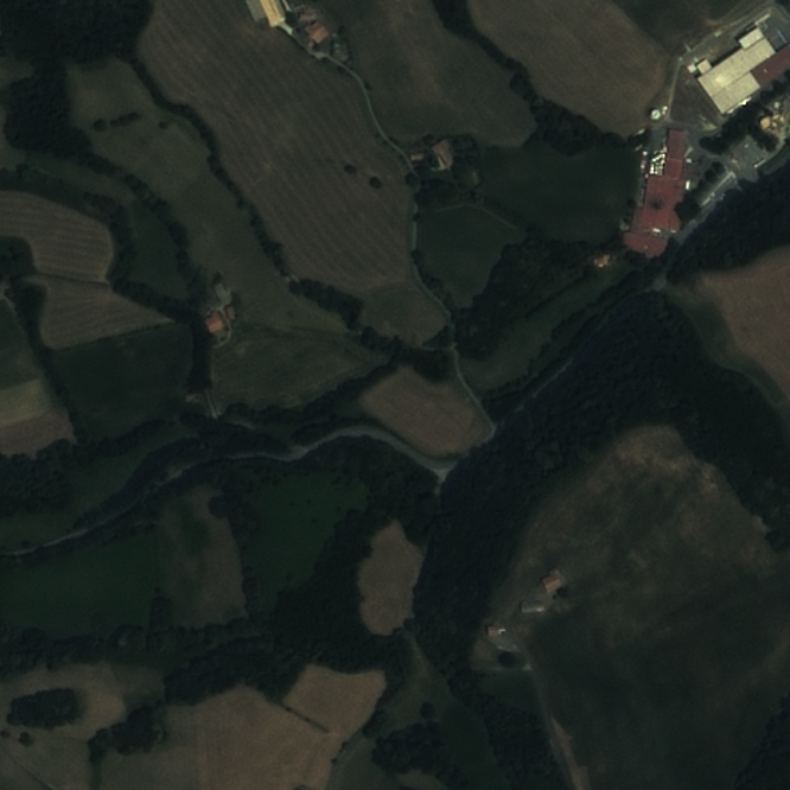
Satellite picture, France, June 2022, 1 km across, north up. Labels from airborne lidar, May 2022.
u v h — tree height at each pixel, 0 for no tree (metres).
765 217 19
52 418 0
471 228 0
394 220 0
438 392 0
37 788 0
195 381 21
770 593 0
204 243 0
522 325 0
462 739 0
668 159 0
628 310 24
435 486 23
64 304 0
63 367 0
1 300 0
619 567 0
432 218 0
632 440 0
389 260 0
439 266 0
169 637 19
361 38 0
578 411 12
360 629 11
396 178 0
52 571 0
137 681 0
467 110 0
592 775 0
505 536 19
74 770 0
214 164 17
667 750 0
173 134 0
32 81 12
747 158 0
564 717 0
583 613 0
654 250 0
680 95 0
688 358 29
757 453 16
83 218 0
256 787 0
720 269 13
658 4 0
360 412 0
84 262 0
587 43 0
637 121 0
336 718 0
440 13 11
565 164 0
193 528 0
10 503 26
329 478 0
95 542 11
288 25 13
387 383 0
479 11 0
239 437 24
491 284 13
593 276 11
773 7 0
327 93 0
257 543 0
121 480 0
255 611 17
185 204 0
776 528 19
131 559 0
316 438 12
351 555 20
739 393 13
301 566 0
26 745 13
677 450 0
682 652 0
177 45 0
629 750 0
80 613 0
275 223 0
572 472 14
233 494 19
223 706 0
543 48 0
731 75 0
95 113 0
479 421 0
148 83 12
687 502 0
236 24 0
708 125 0
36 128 14
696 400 14
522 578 0
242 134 0
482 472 23
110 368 0
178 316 24
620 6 0
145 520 7
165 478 16
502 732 23
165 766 0
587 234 0
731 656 0
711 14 0
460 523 24
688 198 17
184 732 0
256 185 0
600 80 0
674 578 0
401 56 0
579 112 0
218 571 0
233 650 16
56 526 0
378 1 0
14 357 0
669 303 8
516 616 0
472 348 21
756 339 0
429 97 0
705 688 0
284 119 0
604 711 0
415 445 0
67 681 0
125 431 0
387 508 19
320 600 10
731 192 0
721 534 0
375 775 0
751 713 0
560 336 9
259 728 0
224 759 0
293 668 20
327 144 0
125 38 20
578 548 0
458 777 21
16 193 0
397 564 0
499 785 0
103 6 31
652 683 0
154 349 0
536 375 8
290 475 7
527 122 0
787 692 0
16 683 0
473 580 17
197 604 0
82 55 16
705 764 0
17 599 0
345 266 0
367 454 21
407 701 0
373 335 17
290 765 0
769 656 0
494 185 0
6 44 20
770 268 0
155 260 0
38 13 24
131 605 0
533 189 0
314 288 17
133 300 8
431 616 22
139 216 0
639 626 0
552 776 21
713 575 0
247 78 0
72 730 0
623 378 12
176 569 0
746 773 14
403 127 0
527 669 0
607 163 0
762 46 0
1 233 0
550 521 0
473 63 0
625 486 0
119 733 18
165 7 0
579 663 0
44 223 0
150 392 0
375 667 23
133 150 0
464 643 16
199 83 0
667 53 0
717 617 0
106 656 15
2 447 0
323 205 0
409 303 0
